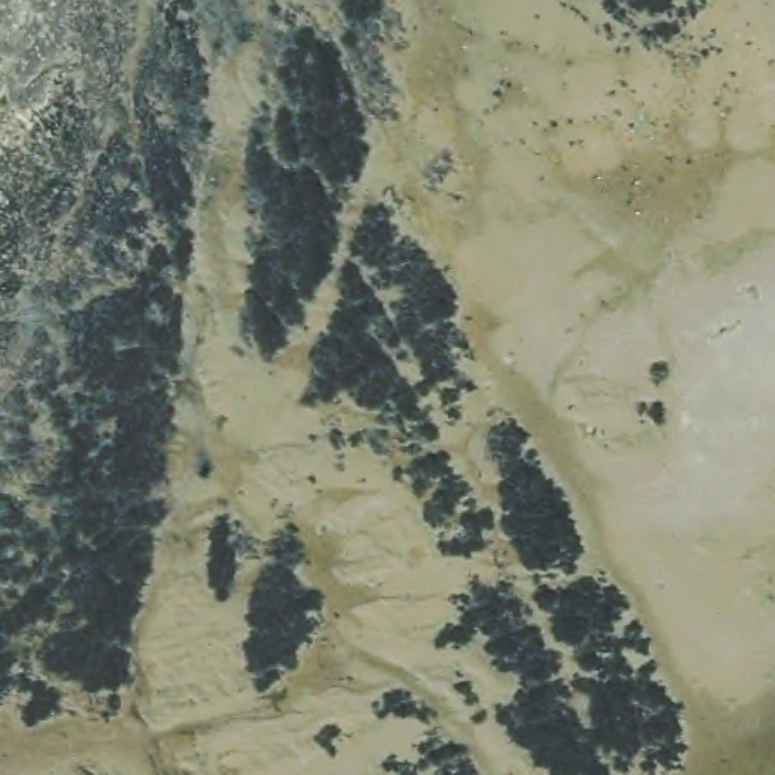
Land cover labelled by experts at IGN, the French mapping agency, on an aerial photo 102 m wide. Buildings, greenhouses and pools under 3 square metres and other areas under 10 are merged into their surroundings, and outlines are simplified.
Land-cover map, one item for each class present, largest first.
<instances>
[{"label":"bare soil","instance_id":"1","mask_svg":"<svg viewBox=\"0 0 775 775\"><path fill-rule=\"evenodd\" d=\"M651 24H678L681 30L678 36L657 39L648 48L642 42V30ZM300 27H315L324 42H333L339 67L354 85V103L366 124L363 139L369 151L360 179L351 182L348 200L336 215V251L330 257V272L318 285L315 297L306 303V321L291 327L285 345L269 360H263L257 339L242 336L239 330L251 266V251L245 242L263 233V194L245 185V151L251 121L257 115H279L288 97L279 70L285 64V51L297 45ZM157 145H176L182 151V163L194 188V206L188 212L194 251L182 294L179 372L167 375V397L173 403L176 433L167 442V481L151 487V500L167 503V518L154 527L151 572L142 584L139 612L130 624V681L121 687L85 690L82 684L61 678L58 672H48L42 660H30V669L12 663V675L42 681L61 696L58 711L36 724H24L21 717L24 705L30 702V693H0V775H394L384 772L381 763L388 757L406 763L418 760V745L424 739L442 745H466L475 775H548V769L533 766L530 754L518 748L509 739V733L496 724V705L512 702L521 681L515 672H496L490 666L487 636L475 633L460 648H436V636L442 627L460 621V612L451 602V596L469 590V581H509L515 587V596L521 599L524 621L533 624L542 636V645L560 657V681H596V669H584L575 663L572 645L554 636L551 615L536 599L539 587H566L581 578L618 587V593L627 599V608L612 624L615 636H624L630 624H642V636L648 639V651L639 654L630 648L624 651V660L630 666L654 663V681L666 690L672 702H681L678 727L684 751L678 754V760H672L669 769H627L618 775H775V0H384L381 12L372 18H345L339 0H0V493L15 496L24 515L33 518L42 530L51 524L54 506L45 496H36L30 484L45 481L54 472L58 454L70 448V439H64L54 430L48 403L36 397L42 363L54 354L58 372L70 369L64 315L82 312L97 297H109L115 291L130 288L148 266L151 248L160 245L163 251H173V239L167 236V227L160 224V215L148 200L145 154ZM375 203L388 206L397 233L418 242L436 263V269L445 275V282L454 288L451 318L454 327L469 339L466 348H451L454 366L475 381V391L460 394V418H448L442 409V397L433 391L418 400V406L427 409L430 421L436 424V439L415 436L400 442L397 424L375 421V412L357 406L348 394H336L330 403L303 406V391L309 388L312 375L309 351L318 342V336L327 333L330 315L339 300L342 266L348 260L354 227L360 224L363 206ZM506 421H515L527 433L521 448L536 451L545 478H551L554 487L563 490L575 533L581 539V557L569 572L554 566L527 569L509 533L503 530L500 469L487 451V436L490 427ZM436 451L448 454L451 469L469 484L475 506L490 512V530L481 533L484 548L469 557H448L439 551L436 530L424 521V506L412 493L409 463ZM215 518H230L227 539L236 551V575L227 599H215V590L209 587V536ZM269 563L294 572L303 587L321 590V608L306 612L315 630L309 633V642L297 648V666L282 672L269 687L254 690V675L248 672L245 660L248 599L257 572ZM391 690H406L412 702L436 708V717H378L372 705L381 702Z\"/></svg>","mask_w":775,"mask_h":775},{"label":"herbaceous vegetation","instance_id":"2","mask_svg":"<svg viewBox=\"0 0 775 775\"><path fill-rule=\"evenodd\" d=\"M345 18H372L381 12L384 0H339ZM681 30L678 24H651L642 30V42L648 48L657 39L678 36ZM288 97L279 115H257L251 121L245 151V185L263 194V233L245 242L251 251V266L239 330L242 336L257 339L263 360H269L285 345L291 327L306 321V303L315 297L318 285L330 272V257L336 251V215L348 200L351 182L360 179L369 151L363 139L366 124L354 103V85L339 67L333 42H324L315 27H300L297 45L285 51V64L279 70ZM148 200L160 215V224L167 227V236L173 239V251H163L160 245L151 248L148 266L130 288L115 291L109 297H97L82 312L64 315L70 369L58 372L54 354L42 363L36 397L48 403L54 430L64 439H70V448L58 454L54 472L45 481L30 484L36 496H45L54 506L51 524L42 530L33 518L24 515L15 496L0 493V693H30V702L24 705L21 717L24 724H36L58 711L61 696L42 681L12 675V663L30 669V660H42L48 672H58L61 678L82 684L85 690L121 687L130 681V624L139 612L142 584L151 572L154 527L167 518V503L151 500V487L167 481V442L176 433L173 403L167 397V375L179 372L182 294L194 251L188 212L194 206V188L182 163V151L176 145H157L145 154ZM454 288L445 282V275L436 269V263L418 242L397 233L388 206L375 203L363 206L360 224L354 227L348 260L342 266L339 300L330 315L327 333L318 336V342L309 351L312 375L309 388L303 391V406L330 403L336 394H348L357 406L375 412V421L397 424L400 442L415 436L436 439V424L430 421L427 409L418 406V400L433 391L442 397V409L448 418H460V394L475 391V381L454 366L451 348H466L469 339L454 327L451 318ZM527 433L515 421H506L490 427L487 436V451L500 469L503 530L509 533L527 569L554 566L569 572L581 557V539L575 533L563 490L554 487L551 478H545L536 451L521 448ZM412 493L424 506V521L436 530L439 551L448 557H469L484 548L481 533L490 530V512L475 506L469 484L451 469L448 454L436 451L409 463ZM230 518H215L209 536V587L215 590V599H227L236 575V551L227 539ZM321 608V590L303 587L294 572L269 563L257 572L248 599L245 660L248 672L254 675V690L269 687L282 672L297 666V648L309 642V633L315 630L306 612ZM536 599L551 615L554 636L572 645L575 663L584 669H596V681H560V657L542 645V636L533 624L524 621L521 599L515 596V587L509 581H469V590L451 596V602L460 612V621L442 627L436 636V648H460L475 633L487 636L490 666L496 672H515L521 681L512 702L496 705V724L509 733V739L518 748L530 754L533 766L548 769V775H618L627 769H669L672 760H678V754L684 751L678 727L681 702H672L666 690L654 681V663L630 666L624 660V651L630 648L639 654L648 651V639L642 636V624H630L624 636H615L612 624L627 608V599L618 593V587L581 578L566 587H539ZM378 717H436V708L412 702L406 690H391L381 702L372 705ZM418 760L406 763L388 757L381 763L384 772L394 775H475L466 745H442L424 739L418 745Z\"/></svg>","mask_w":775,"mask_h":775}]
</instances>
